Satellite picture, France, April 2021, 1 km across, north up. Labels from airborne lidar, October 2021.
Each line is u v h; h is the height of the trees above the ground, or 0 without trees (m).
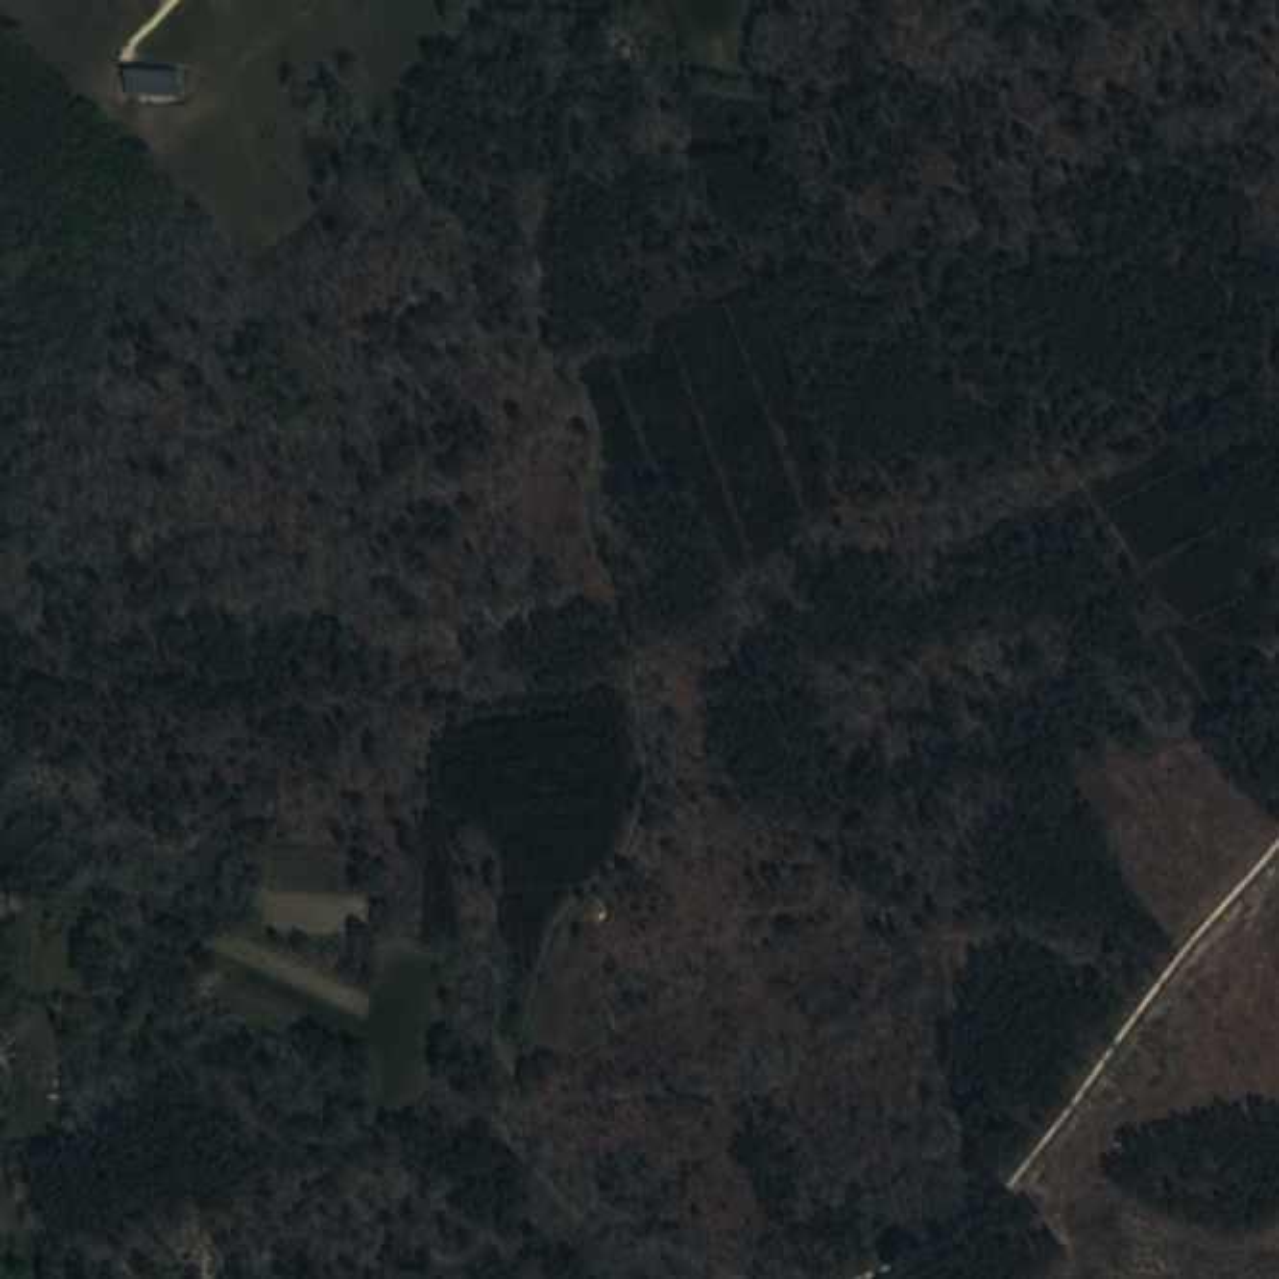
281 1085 27
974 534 11
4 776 18
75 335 11
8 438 8
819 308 24
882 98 11
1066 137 17
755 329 8
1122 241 14
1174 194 17
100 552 7
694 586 27
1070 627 27
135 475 12
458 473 20
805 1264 9
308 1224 20
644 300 19
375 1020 0
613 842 12
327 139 0
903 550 25
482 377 7
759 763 26
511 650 15
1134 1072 11
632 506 24
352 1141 21
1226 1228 26
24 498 24
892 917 8
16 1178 13
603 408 10
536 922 13
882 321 25
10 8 0
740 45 0
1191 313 18
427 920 12
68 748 11
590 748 14
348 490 10
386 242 12
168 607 26
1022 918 25
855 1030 8
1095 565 18
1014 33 21
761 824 7
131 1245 29
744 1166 13
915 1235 7
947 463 24
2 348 8
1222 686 8
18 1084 10
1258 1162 26
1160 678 26
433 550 23
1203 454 25
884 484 26
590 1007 12
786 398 10
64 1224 25
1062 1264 23
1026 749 24
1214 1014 0
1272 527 24
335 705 14
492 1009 9
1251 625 6
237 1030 9
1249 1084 0
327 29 0
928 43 10
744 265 23
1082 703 23
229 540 11
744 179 20
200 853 8
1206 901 0
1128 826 0
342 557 14
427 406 16
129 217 20
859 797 22
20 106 19
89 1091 27
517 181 28
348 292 13
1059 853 26
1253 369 13
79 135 20
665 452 8
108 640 12
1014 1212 24
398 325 16
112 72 0
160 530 19
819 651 28
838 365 21
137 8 0
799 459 9
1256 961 0
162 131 0
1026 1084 25
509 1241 22
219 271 17
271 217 0
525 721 10
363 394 14
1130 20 23
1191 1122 0
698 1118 8
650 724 8
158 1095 17
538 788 12
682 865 11
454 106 24
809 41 10
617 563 23
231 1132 25
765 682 26
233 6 0
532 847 12
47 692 22
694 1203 7
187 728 21
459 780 12
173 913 8
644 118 18
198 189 0
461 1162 21
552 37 19
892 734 11
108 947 20
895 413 27
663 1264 12
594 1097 12
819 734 21
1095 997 23
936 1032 9
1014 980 24
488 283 25
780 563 11
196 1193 25
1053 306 21
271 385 13
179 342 14
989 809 10
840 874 21
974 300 16
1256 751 21
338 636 21
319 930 0
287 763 23
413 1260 11
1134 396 17
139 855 11
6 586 18
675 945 15
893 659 24
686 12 0
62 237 20
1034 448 7
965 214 18
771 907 11
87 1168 22
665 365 10
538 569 10
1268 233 10
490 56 19
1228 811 0
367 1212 21
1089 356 21
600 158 9
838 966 0
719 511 10
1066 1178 0
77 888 15
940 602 11
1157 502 7
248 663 28
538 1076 17
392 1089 0
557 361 26
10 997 15
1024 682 22
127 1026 22
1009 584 25
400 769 12
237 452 8
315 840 7
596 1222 10
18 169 16
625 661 25
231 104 0
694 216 12
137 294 16
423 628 20
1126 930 25
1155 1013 0
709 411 9
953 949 8
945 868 6
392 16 0
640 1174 13
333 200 7
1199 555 8
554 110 23
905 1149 20
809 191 9
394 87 0
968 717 12
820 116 14
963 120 11
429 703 9
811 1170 8
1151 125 10
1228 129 14
